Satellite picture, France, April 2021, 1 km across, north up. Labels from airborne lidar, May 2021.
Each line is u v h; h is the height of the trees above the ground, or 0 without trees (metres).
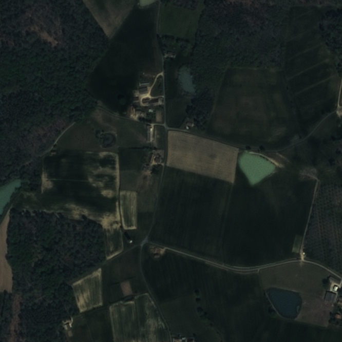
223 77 13
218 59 18
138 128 0
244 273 0
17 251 24
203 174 0
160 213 0
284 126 0
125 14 0
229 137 0
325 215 9
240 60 17
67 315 21
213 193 0
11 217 15
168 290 0
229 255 0
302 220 0
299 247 0
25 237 21
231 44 13
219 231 0
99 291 0
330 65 0
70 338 0
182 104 0
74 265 6
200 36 13
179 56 0
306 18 0
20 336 23
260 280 0
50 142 13
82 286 0
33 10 18
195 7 7
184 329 0
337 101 0
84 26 7
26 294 17
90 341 0
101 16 0
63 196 0
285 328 0
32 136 12
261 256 0
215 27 10
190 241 0
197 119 16
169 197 0
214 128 0
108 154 0
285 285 0
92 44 22
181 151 0
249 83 0
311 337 0
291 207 0
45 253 24
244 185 0
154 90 0
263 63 21
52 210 0
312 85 0
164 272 0
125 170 0
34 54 23
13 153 10
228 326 0
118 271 0
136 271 0
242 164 0
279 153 0
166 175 0
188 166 0
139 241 0
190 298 0
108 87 0
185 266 0
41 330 16
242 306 0
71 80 22
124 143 0
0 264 0
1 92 21
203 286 0
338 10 0
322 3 8
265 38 16
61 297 20
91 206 0
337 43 24
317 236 14
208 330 0
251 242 0
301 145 0
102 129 0
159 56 0
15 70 28
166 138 0
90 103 18
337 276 0
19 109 23
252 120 0
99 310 0
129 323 0
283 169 0
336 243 9
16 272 14
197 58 16
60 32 11
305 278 0
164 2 16
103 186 0
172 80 0
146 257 0
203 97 20
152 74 0
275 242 0
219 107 0
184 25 0
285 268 0
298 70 0
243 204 0
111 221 0
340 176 0
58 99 24
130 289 0
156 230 0
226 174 0
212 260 0
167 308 0
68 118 14
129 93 0
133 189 0
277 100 0
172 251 0
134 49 0
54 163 0
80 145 0
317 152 0
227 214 0
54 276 24
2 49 15
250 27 16
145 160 0
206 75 19
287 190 0
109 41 15
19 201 0
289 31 0
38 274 20
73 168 0
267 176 0
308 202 0
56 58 25
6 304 14
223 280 0
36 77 22
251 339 0
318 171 0
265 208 0
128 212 0
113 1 0
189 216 0
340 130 0
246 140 0
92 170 0
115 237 0
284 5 19
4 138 18
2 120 17
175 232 0
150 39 0
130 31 0
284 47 15
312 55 0
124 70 0
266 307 0
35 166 14
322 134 0
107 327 0
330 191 7
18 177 7
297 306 0
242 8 13
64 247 15
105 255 10
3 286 0
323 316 0
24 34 7
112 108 0
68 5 18
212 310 0
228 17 12
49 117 21
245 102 0
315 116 0
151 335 0
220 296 0
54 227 18
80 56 15
